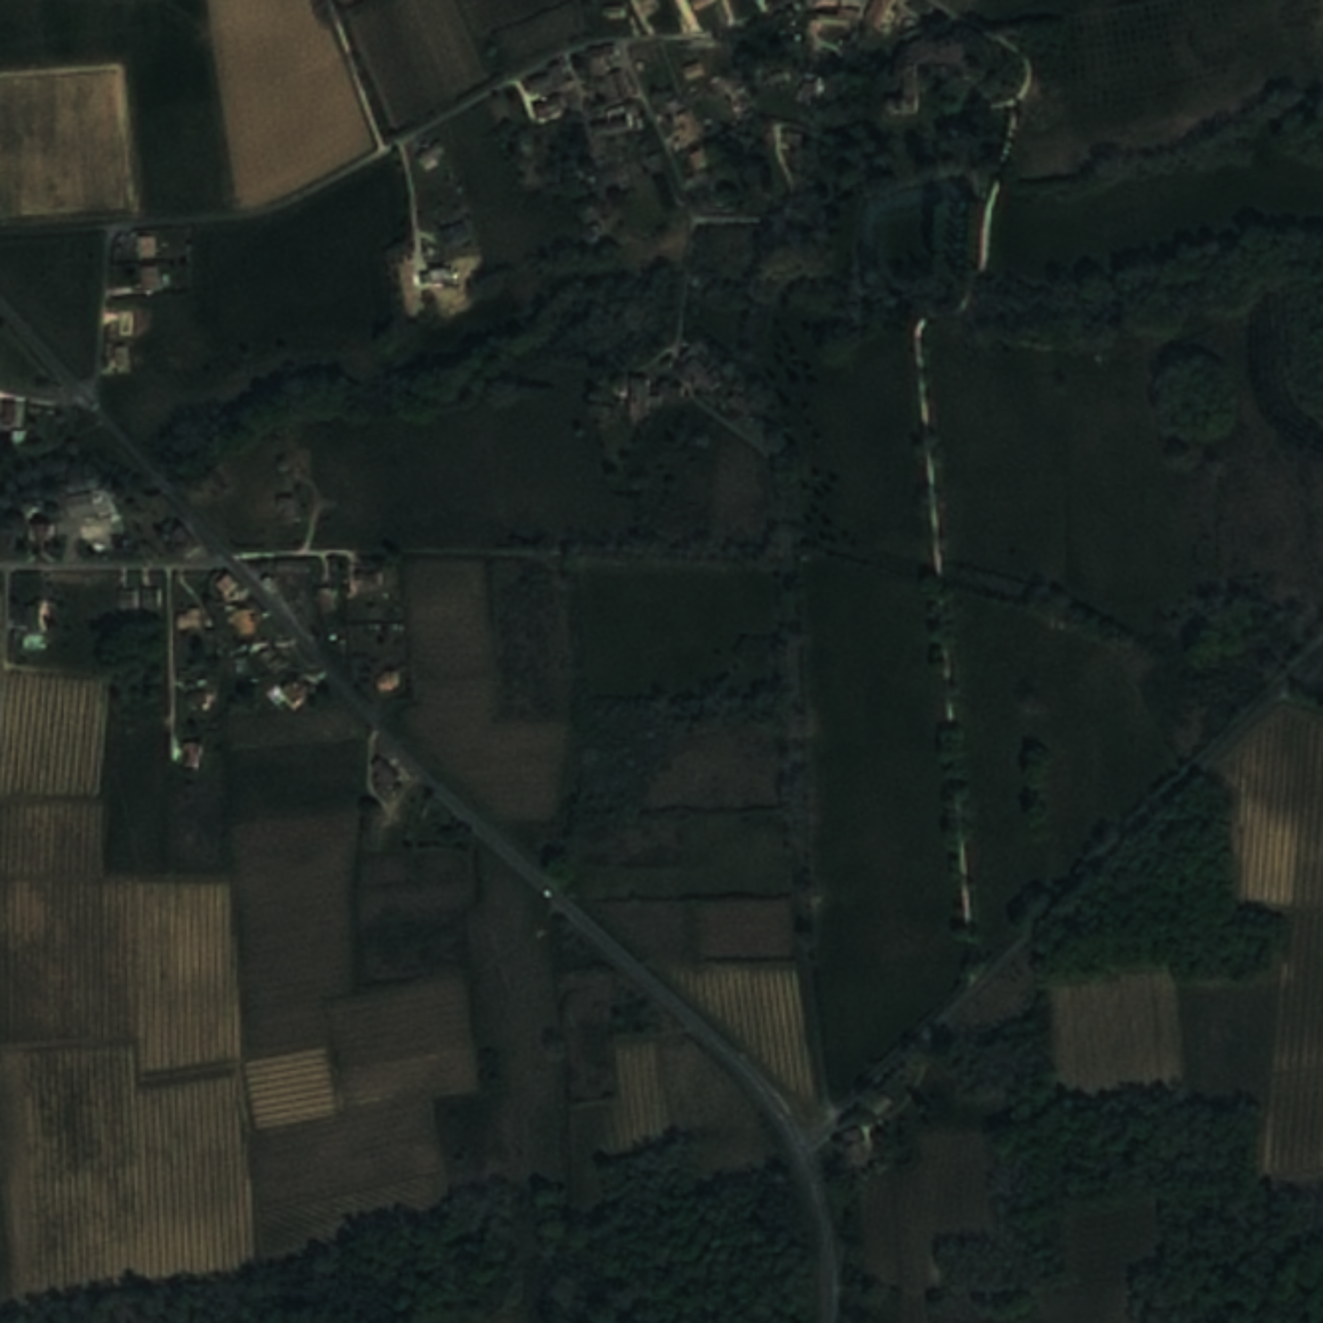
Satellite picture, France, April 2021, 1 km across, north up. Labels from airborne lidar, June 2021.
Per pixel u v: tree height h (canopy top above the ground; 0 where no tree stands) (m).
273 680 0
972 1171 0
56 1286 0
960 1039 11
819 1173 0
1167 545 0
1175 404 22
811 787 13
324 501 0
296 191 0
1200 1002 0
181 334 0
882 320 18
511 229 0
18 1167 0
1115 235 0
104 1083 0
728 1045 0
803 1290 21
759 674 0
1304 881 0
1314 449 7
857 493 0
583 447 0
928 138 11
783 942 0
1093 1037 0
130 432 0
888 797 0
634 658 0
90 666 0
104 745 0
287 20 0
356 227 0
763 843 0
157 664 9
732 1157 0
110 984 0
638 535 10
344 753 0
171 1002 0
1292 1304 18
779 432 19
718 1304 23
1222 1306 11
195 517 0
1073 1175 20
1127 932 21
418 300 0
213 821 0
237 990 0
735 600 0
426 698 0
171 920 0
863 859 0
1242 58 0
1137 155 11
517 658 0
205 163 0
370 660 6
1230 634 18
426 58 0
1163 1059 0
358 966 0
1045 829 16
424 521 0
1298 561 0
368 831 10
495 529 0
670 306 8
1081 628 12
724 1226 19
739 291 9
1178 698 0
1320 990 0
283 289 0
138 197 0
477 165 0
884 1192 0
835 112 20
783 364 10
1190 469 11
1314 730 0
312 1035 0
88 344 0
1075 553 0
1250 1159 19
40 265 0
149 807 0
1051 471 0
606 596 0
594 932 0
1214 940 19
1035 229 0
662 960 0
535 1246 8
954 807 11
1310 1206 18
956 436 0
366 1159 0
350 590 8
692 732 7
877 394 0
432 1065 0
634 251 0
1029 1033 9
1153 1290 17
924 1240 0
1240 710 11
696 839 0
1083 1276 0
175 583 0
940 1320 14
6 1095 0
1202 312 17
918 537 0
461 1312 26
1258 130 18
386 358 9
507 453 0
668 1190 9
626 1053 0
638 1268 19
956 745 13
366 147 0
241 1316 17
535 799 0
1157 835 17
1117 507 0
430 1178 0
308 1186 0
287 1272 7
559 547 9
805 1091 0
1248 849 0
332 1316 24
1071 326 21
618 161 10
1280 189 0
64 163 0
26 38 0
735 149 13
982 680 0
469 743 0
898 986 0
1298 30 0
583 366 8
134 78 0
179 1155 0
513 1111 0
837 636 0
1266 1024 0
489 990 0
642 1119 0
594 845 0
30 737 0
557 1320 24
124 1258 0
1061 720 0
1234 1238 16
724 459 0
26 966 0
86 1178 0
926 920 0
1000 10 0
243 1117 0
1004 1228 15
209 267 0
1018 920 16
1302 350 18
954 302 25
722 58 0
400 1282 12
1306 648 9
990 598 7
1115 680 0
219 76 0
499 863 0
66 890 0
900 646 0
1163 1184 16
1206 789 14
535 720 0
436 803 9
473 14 0
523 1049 0
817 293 18
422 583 0
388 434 0
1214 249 16
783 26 6
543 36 0
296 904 0
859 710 0
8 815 0
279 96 0
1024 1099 20
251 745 0
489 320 0
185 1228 0
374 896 0
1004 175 8
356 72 12
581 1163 0
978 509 0
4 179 0
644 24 0
